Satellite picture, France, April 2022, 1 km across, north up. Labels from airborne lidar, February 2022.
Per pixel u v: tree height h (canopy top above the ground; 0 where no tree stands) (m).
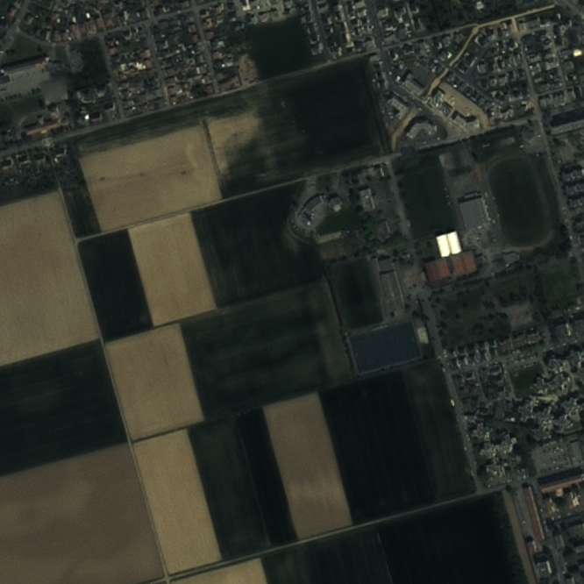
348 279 0
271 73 0
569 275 0
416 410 0
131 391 0
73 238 0
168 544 0
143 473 0
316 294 0
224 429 0
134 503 0
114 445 0
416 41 0
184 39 0
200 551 0
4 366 0
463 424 0
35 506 0
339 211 0
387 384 0
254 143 0
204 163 0
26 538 0
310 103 0
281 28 0
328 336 0
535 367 0
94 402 0
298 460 0
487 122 0
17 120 0
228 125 0
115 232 0
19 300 0
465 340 0
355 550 0
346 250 0
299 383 0
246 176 0
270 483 0
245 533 0
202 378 0
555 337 8
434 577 0
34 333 0
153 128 0
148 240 0
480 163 0
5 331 0
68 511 0
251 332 0
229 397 0
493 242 0
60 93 0
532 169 0
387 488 0
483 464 0
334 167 0
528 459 0
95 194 0
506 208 0
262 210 0
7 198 0
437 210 0
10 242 0
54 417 0
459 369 0
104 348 0
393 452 0
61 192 0
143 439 0
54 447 0
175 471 0
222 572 0
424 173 0
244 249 0
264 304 0
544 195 0
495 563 0
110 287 0
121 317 0
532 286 0
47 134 0
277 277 0
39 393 0
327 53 0
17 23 0
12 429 0
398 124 0
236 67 0
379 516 0
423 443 0
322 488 0
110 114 0
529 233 0
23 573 0
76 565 0
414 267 0
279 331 0
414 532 0
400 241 11
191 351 0
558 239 0
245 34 0
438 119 0
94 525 0
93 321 0
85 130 0
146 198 0
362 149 0
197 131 0
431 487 0
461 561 0
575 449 0
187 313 0
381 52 0
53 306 0
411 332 0
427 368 0
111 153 0
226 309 0
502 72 0
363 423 0
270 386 0
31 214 0
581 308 0
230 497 0
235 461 0
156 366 0
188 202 0
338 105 0
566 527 17
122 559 0
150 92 0
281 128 0
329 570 0
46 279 0
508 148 0
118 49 0
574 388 0
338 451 0
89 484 0
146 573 0
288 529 0
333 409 0
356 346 0
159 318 0
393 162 0
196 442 0
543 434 0
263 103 0
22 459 0
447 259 0
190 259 0
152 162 0
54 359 0
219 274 0
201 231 0
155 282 0
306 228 0
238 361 0
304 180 0
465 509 0
